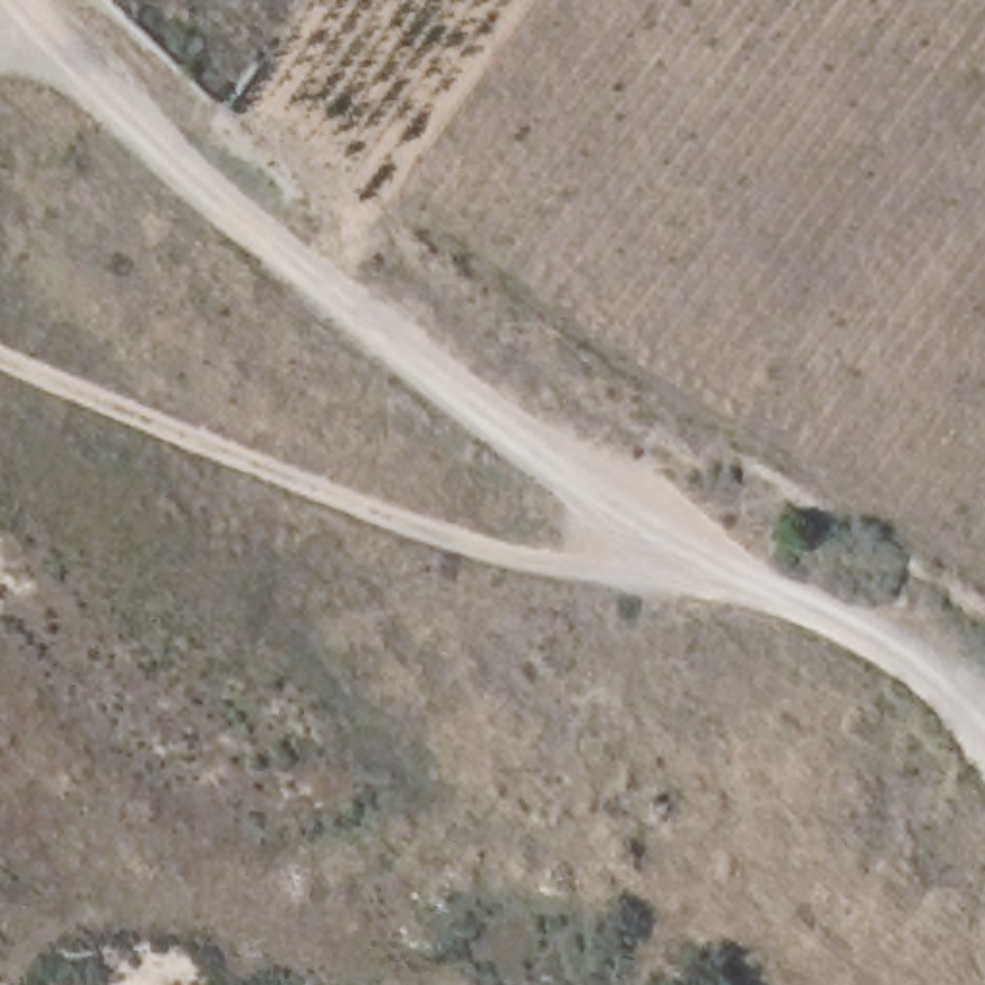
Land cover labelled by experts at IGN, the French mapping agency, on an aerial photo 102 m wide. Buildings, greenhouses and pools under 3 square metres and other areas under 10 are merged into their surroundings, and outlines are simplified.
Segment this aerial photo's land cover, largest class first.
<instances>
[{"label":"herbaceous vegetation","instance_id":"1","mask_svg":"<svg viewBox=\"0 0 985 985\"><path fill-rule=\"evenodd\" d=\"M65 15V27L81 38L85 54L108 77H135L142 92L162 108V115L177 127V135L212 169H219L242 196H250L265 215H273L292 239L308 246L319 235L312 200H285L273 177H265L258 165L235 158L227 146L215 142L212 119L223 108L123 12L119 0H50ZM0 342L65 373H77L92 385H104L119 396H131L146 408H158L162 416L204 427L239 446L262 450L296 469L319 473L366 496H381L408 512L462 523L489 539L523 546H562L566 508L554 496V489H546L523 466H516L508 454H500L489 439L469 431L462 419L442 412L427 392L404 381L396 369H389L358 339H350L331 316H323L304 292L281 281L254 250L219 231L181 192H173L169 181H162L119 135H112L92 112H85L65 88L46 85L38 77L0 73ZM373 254L362 258L358 281L369 285L381 300H392L435 342H442L458 362H466L473 377L500 392H512L523 412L546 423H569L577 439L593 446H612L631 458L654 462L658 473L689 489L693 500L704 504L708 516L720 519L743 550L773 566L781 523V512L789 504L777 496L773 485L743 473V466L712 462L708 469H693L689 442L677 439L673 427H654V412L646 404L650 381L627 350H608L604 342L589 339L573 312H566L562 304H543L519 277L496 269L481 254H469L462 235L431 227L408 231L404 215L392 208L369 223ZM623 893L643 897L654 912L693 904L696 912L689 920V939L700 947L739 943L746 950V966L762 970L766 985H985V777L962 750L958 735L947 727V720L908 681L793 619L770 616L750 604H723L704 596H631L612 585L508 569L435 543H419L335 504L300 496L285 485L262 481L177 442H165L131 423L108 419L85 404L54 396L0 369V985H19L58 935H77L81 927L150 923L165 931H208L223 947L231 973L239 977H250L265 966H289L300 973L304 985H631L639 950L627 958L616 947V900ZM889 627L935 650L943 662H962V643L954 631L943 627L939 608L908 604L904 596H897L893 604L873 608ZM154 950L150 943H139L135 950L104 947V962L115 973L112 981H127L142 966V954Z\"/></svg>","mask_w":985,"mask_h":985},{"label":"agricultural land","instance_id":"2","mask_svg":"<svg viewBox=\"0 0 985 985\"><path fill-rule=\"evenodd\" d=\"M123 12L223 108H254L265 81L273 77L285 54L281 23L289 19V8L296 0H119ZM523 8V23L481 73L473 92L454 108L439 142L412 162V185L400 192L392 208L404 215L408 231L431 227L462 235L469 254H481L496 269L519 277L543 304H562L566 312H573L589 339L604 342L608 350H627L650 381L646 404L654 412V427H673L677 439L689 442L693 469H708L712 462L743 466L746 458H758L789 481L812 489V500L804 508L831 516L893 519L897 535L908 543V558H920L927 566L935 554H943V573L958 577L985 600V0H516Z\"/></svg>","mask_w":985,"mask_h":985},{"label":"pervious surface","instance_id":"3","mask_svg":"<svg viewBox=\"0 0 985 985\"><path fill-rule=\"evenodd\" d=\"M0 73L38 77L46 85L65 88L85 112H92L112 135H119L162 181H169L173 192H181L219 231L254 250L281 281L304 292L323 316H331L350 339H358L389 369H396L404 381L427 392L442 412L462 419L469 431L489 439L500 454H508L516 466H523L546 489H554V496L566 508L562 546H523L489 539L462 523L408 512L381 496H366L319 473L296 469L262 450L239 446L204 427L162 416L158 408H146L131 396H119L104 385H92L77 373H65L0 342V369L54 396L85 404L108 419L131 423L165 442H177L262 481L285 485L300 496L335 504L419 543H435L508 569L612 585L631 596H704L723 604H750L770 616L793 619L908 681L947 720V727L958 735L962 750L985 777V666L977 669L962 662H943L935 650L889 627L873 608L843 604L820 589H808L777 573L773 566L743 550L720 519L708 516L704 504L693 500L689 489L658 473L654 462L631 458L612 446H593L577 439L569 423H546L523 412L512 392H500L473 377L466 362H458L442 342H435L392 300H381L369 285L358 281L335 273L327 258H319L308 246L292 239L273 215H265L250 196H242L219 169H212L177 135V127L162 115V108L142 92L135 77H108L85 54L81 38L65 27V15L50 0H0ZM743 473L773 485L777 496L789 504L804 508L812 500V489L789 481L758 458H746L743 466ZM196 966L189 954L154 950L142 954V966L127 981H112V985H196Z\"/></svg>","mask_w":985,"mask_h":985},{"label":"brushwood","instance_id":"4","mask_svg":"<svg viewBox=\"0 0 985 985\"><path fill-rule=\"evenodd\" d=\"M777 573L808 589H820L843 604L873 608L893 604L897 596H904L908 604L939 608L943 627L954 631L962 643V662L977 669L985 666V600L958 577L943 573V554H935L927 566L920 558H908V543L897 535L893 519L831 516V531L816 550L804 546L800 535L781 523L773 566ZM616 947L627 958L639 950L631 985H766L762 970L746 966V950L739 943L700 947L689 939V920L696 912L693 904L654 912L643 897L623 893L616 900ZM139 943H150L154 950L189 954L196 966V985H304L300 973L289 966H265L250 977H239L231 973L223 947L208 931H165L150 923L81 927L77 935H58L19 985H112V981L115 973L104 962V947L135 950Z\"/></svg>","mask_w":985,"mask_h":985},{"label":"plowed land","instance_id":"5","mask_svg":"<svg viewBox=\"0 0 985 985\"><path fill-rule=\"evenodd\" d=\"M523 23V8L516 0H508L500 8L496 27L481 38V50L462 62V73L439 96L423 135L412 142L404 139L400 119L339 131V123L323 108L292 104V92H300L308 77L304 65H292L289 81L281 85L273 77L265 81L254 108H223L212 119L215 142L227 146L235 158L258 165L265 177H273L285 200H312L319 235L308 246L319 258H327L335 273L358 281L362 258L373 254L369 223L392 208L400 192L412 185V162L439 142L454 108L473 92L481 73Z\"/></svg>","mask_w":985,"mask_h":985},{"label":"vineyard","instance_id":"6","mask_svg":"<svg viewBox=\"0 0 985 985\"><path fill-rule=\"evenodd\" d=\"M508 0H296L289 8V19L281 23L285 54L273 77L281 85L289 81L292 65H304L308 77L300 92H292V104L323 108L339 123V131L400 119L404 139L412 142L423 135L439 96L462 73V62L481 50V38L496 27L500 8Z\"/></svg>","mask_w":985,"mask_h":985},{"label":"deciduous trees","instance_id":"7","mask_svg":"<svg viewBox=\"0 0 985 985\"><path fill-rule=\"evenodd\" d=\"M781 523L800 535L804 546L816 550L831 531V516L804 508L789 504L781 512Z\"/></svg>","mask_w":985,"mask_h":985}]
</instances>
